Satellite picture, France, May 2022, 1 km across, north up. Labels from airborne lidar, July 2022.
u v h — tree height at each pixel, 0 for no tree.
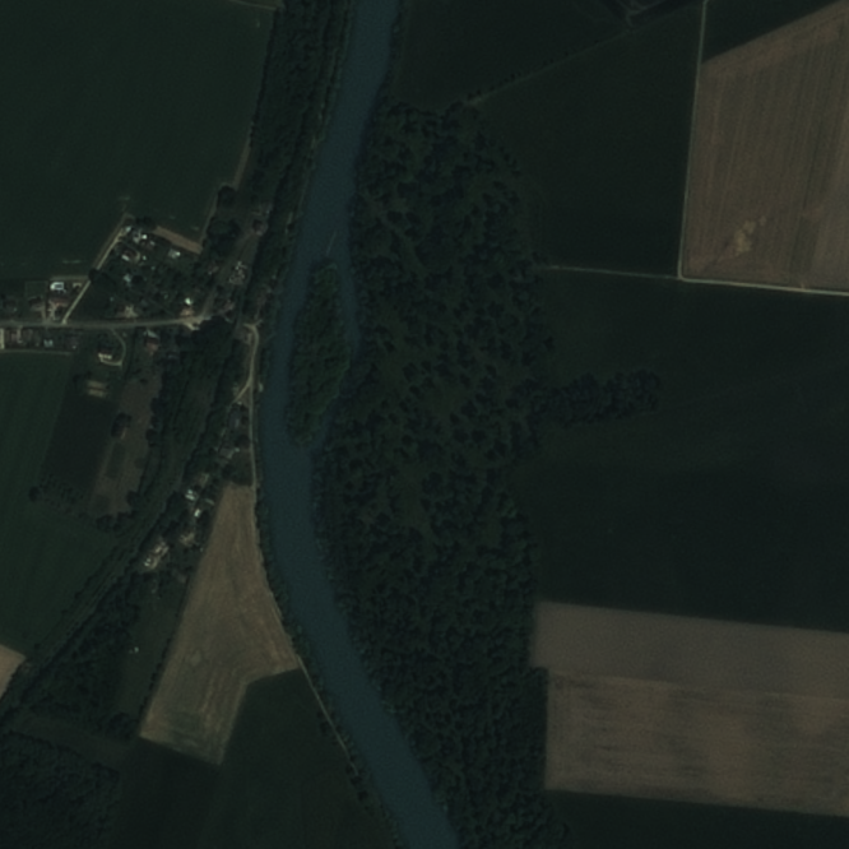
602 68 0
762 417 0
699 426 0
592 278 0
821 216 0
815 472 0
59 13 0
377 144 22
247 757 0
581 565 0
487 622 25
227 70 0
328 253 0
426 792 0
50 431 0
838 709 0
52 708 21
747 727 0
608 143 0
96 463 0
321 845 0
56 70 0
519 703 17
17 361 0
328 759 0
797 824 0
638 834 0
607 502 0
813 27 0
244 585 0
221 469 10
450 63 0
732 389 0
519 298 22
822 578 0
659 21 0
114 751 0
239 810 0
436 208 29
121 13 0
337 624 0
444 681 26
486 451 18
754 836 0
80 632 13
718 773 0
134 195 0
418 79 0
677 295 0
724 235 0
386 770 0
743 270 0
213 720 0
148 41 0
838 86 0
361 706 0
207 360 9
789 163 0
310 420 16
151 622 0
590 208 0
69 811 27
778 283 0
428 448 29
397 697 21
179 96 0
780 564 0
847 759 0
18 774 26
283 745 0
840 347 0
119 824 0
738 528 0
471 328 0
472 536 29
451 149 28
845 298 0
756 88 0
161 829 0
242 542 0
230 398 14
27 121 0
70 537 0
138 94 0
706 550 0
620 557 0
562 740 0
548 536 0
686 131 0
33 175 0
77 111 0
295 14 18
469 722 20
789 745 0
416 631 18
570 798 0
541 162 0
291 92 15
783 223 0
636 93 0
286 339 0
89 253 0
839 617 0
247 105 0
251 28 0
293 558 0
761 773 0
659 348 0
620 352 0
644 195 0
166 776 0
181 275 9
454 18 0
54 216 0
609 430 0
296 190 21
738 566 0
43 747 20
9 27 0
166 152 0
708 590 0
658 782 0
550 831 20
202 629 0
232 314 11
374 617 8
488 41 0
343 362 15
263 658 0
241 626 0
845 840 0
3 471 0
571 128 0
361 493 6
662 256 0
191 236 0
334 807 0
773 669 0
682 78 0
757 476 0
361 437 23
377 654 10
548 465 0
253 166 0
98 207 0
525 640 17
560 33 0
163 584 8
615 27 0
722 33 0
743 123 0
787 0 0
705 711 0
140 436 0
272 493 0
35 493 15
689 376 0
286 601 11
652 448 0
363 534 21
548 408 25
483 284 30
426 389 24
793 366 0
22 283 0
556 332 0
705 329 0
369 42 0
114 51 0
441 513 23
